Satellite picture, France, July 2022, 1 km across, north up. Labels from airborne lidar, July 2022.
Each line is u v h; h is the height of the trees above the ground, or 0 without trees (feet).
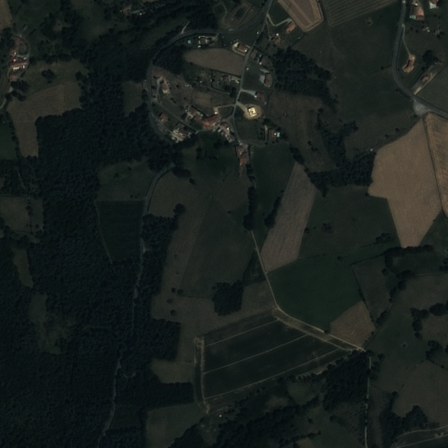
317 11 0
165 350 50
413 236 0
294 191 0
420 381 0
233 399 0
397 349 0
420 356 0
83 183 96
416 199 0
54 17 60
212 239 0
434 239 0
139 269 52
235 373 0
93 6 0
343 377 26
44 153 45
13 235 50
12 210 0
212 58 0
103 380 40
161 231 87
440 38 30
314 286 0
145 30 33
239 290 30
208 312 0
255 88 0
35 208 0
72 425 67
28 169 31
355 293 0
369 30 0
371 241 0
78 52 60
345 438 0
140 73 37
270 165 0
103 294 85
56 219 32
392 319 0
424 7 0
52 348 0
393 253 63
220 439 73
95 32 0
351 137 0
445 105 0
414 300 0
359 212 0
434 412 0
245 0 0
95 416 80
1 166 33
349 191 0
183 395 36
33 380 63
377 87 0
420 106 0
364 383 36
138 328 75
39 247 69
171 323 43
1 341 48
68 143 61
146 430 30
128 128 62
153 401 47
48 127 59
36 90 0
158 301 0
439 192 0
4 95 0
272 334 0
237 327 0
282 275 0
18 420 20
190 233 0
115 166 0
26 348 59
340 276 0
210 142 0
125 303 73
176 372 0
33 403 45
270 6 0
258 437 65
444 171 0
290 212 0
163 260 55
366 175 34
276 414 62
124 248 0
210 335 0
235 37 0
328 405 24
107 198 0
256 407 0
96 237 63
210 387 0
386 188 0
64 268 79
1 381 39
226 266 0
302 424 0
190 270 0
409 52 0
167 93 0
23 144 0
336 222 0
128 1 45
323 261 0
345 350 0
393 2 0
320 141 0
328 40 0
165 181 0
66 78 0
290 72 42
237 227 0
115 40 18
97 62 43
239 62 0
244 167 0
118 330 91
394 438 30
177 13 47
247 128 0
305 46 0
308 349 0
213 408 0
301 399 0
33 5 0
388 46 0
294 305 0
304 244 0
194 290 0
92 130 65
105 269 82
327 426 0
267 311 0
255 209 50
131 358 60
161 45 38
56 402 55
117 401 45
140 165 0
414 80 0
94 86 74
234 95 28
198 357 0
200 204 0
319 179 48
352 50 0
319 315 0
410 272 48
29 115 0
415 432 0
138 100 0
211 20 59
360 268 0
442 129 0
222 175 0
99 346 78
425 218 0
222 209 0
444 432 0
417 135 0
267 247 0
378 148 0
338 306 0
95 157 39
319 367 0
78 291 70
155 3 31
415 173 0
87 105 68
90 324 81
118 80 66
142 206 0
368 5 0
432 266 0
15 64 0
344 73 0
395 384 0
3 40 40
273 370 0
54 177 68
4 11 0
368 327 0
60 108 0
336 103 30
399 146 0
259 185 0
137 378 30
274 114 0
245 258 0
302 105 0
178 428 0
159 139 47
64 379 73
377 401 0
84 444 45
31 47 0
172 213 0
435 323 0
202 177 0
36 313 0
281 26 0
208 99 0
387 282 0
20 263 0
